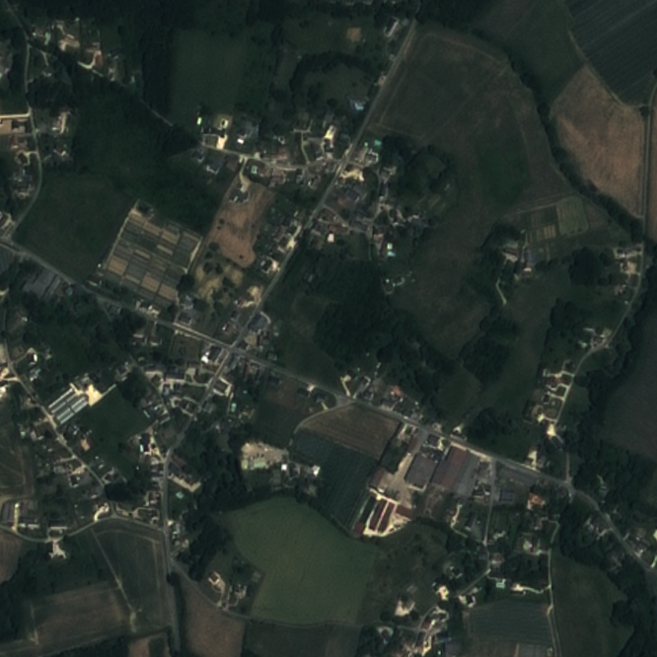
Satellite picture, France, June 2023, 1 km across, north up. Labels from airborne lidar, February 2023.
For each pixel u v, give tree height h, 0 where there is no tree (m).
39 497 0
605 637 0
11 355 0
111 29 0
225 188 0
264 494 15
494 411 13
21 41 20
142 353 6
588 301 0
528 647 0
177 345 0
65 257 0
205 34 0
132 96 11
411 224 7
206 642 0
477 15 13
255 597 0
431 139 0
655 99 0
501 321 7
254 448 0
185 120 0
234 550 0
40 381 9
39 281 0
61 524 0
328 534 0
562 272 0
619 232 0
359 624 0
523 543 0
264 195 0
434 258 0
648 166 0
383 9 15
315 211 0
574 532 9
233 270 0
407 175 7
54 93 13
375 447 0
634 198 0
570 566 0
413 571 0
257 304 0
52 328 0
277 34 9
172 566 0
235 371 8
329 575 0
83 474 0
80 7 13
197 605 0
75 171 6
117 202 0
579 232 0
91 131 0
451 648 0
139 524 0
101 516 0
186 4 19
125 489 18
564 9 0
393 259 12
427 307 0
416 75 0
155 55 14
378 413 0
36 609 0
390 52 0
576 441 34
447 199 0
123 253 0
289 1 12
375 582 0
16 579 12
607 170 0
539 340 0
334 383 0
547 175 0
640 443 0
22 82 9
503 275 7
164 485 0
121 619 0
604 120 0
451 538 7
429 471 0
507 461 0
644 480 16
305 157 0
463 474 0
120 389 10
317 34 0
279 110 0
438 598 0
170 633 9
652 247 7
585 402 0
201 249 0
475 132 0
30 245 0
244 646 7
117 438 0
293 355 0
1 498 0
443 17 16
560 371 0
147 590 0
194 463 11
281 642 0
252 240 0
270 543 0
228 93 0
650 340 0
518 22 0
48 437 10
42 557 6
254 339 0
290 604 0
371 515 0
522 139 0
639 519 10
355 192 0
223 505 16
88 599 0
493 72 0
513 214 0
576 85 0
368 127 0
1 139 0
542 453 17
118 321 14
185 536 0
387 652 8
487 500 0
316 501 12
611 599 0
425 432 0
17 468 0
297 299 0
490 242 13
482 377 6
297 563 0
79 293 18
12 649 0
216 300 8
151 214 0
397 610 0
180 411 11
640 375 0
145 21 14
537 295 0
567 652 0
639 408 0
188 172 0
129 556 0
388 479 0
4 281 15
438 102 0
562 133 0
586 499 0
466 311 0
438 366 17
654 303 18
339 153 0
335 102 16
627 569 6
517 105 0
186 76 0
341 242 8
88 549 0
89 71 8
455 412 0
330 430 0
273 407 0
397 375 7
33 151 12
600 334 7
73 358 0
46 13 9
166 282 0
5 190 7
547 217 0
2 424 0
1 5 0
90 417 0
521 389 0
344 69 0
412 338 10
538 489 23
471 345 11
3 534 0
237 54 0
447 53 0
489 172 0
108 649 12
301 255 8
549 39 0
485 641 0
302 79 18
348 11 15
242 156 0
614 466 12
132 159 0
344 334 12
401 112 0
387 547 0
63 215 0
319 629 0
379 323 9
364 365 0
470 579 14
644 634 17
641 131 0
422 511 0
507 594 0
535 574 14
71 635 0
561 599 0
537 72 0
